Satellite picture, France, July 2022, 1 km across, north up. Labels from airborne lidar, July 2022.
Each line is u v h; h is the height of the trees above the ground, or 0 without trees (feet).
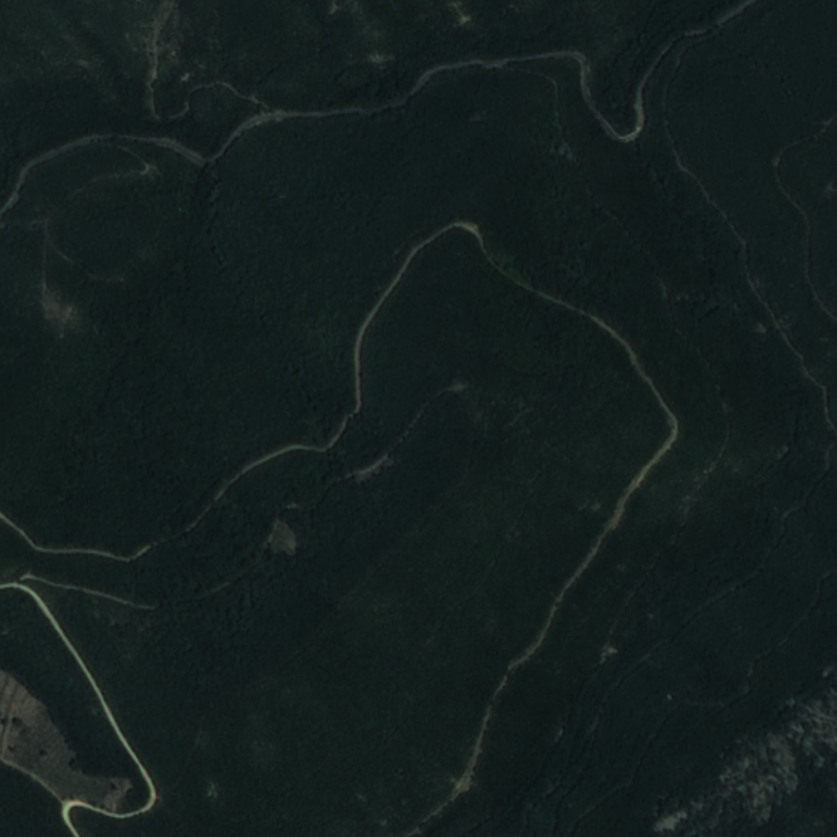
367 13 20
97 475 19
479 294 32
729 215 28
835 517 19
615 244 24
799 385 30
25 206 19
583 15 28
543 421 19
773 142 24
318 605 24
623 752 20
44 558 19
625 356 19
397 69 22
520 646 18
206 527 28
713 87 28
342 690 21
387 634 21
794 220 24
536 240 26
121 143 23
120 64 33
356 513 21
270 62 33
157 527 20
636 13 18
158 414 21
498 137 25
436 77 28
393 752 26
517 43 32
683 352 44
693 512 27
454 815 29
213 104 23
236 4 21
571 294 35
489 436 23
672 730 17
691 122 18
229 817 39
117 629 23
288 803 38
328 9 23
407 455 22
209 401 24
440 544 21
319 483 30
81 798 0
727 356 23
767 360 31
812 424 32
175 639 22
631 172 22
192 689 19
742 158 18
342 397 38
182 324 20
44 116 23
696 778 24
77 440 35
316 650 18
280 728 21
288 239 23
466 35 24
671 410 26
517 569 18
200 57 20
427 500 22
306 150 26
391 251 25
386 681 22
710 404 18
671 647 20
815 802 22
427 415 17
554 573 20
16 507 20
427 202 22
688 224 46
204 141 41
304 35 41
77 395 17
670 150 24
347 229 31
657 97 27
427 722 32
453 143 21
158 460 24
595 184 31
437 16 24
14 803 22
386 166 19
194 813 22
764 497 27
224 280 28
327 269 20
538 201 26
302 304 23
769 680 18
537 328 22
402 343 18
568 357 34
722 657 20
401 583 19
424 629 23
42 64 33
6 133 33
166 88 24
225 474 22
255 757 19
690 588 27
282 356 34
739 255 22
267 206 22
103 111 27
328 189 21
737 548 32
